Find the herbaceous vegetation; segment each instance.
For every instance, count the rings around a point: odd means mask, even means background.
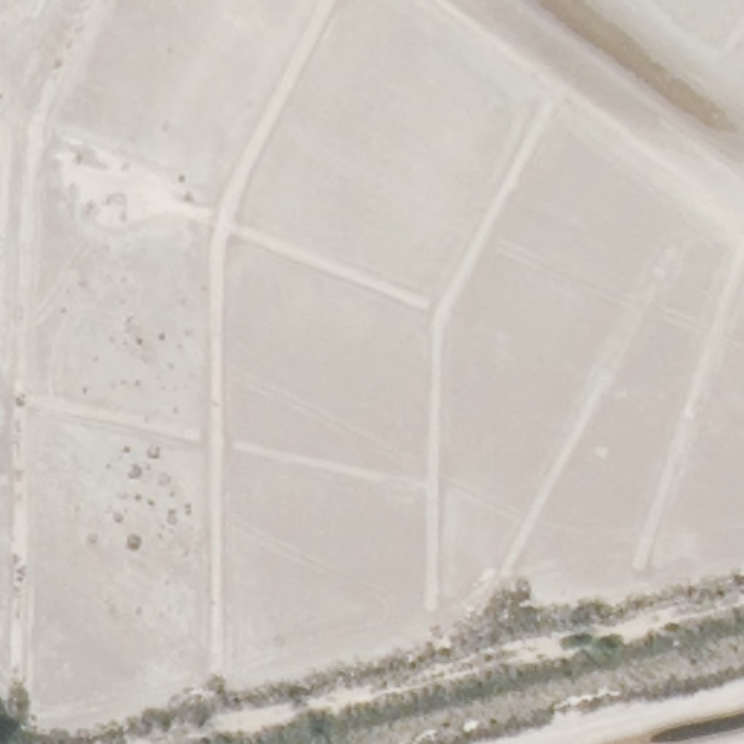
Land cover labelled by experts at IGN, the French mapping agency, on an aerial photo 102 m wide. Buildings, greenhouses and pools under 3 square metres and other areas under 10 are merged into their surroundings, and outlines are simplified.
[[[468,706],[439,709],[430,715],[416,715],[384,727],[352,729],[349,744],[421,744],[427,738],[453,738],[465,729],[485,727],[488,721],[506,721],[512,715],[523,718],[543,706],[552,706],[555,715],[581,712],[581,700],[619,695],[619,686],[642,689],[660,686],[671,677],[686,680],[744,666],[744,634],[706,642],[703,651],[692,654],[689,660],[683,654],[657,654],[634,660],[619,668],[590,671],[575,680],[552,680],[529,686],[526,692],[474,700]]]
[[[3,712],[23,724],[29,715],[26,689],[15,686],[3,700]]]
[[[543,607],[555,619],[555,628],[549,634],[509,639],[500,645],[488,642],[491,625],[482,613],[471,613],[468,622],[459,622],[456,636],[448,648],[453,654],[448,663],[424,666],[401,683],[363,683],[352,689],[323,692],[314,698],[305,698],[299,686],[294,683],[288,689],[291,703],[230,709],[212,715],[203,727],[171,724],[169,729],[151,729],[142,738],[125,738],[125,744],[192,744],[201,738],[215,738],[221,732],[256,735],[267,727],[288,724],[296,715],[308,715],[314,709],[334,715],[355,703],[384,703],[392,695],[448,686],[456,680],[480,677],[485,671],[497,671],[503,666],[567,660],[575,657],[575,648],[561,642],[575,634],[622,636],[625,642],[631,642],[642,639],[645,634],[660,634],[668,622],[724,619],[732,610],[744,607],[744,575],[718,575],[712,581],[692,587],[680,584],[663,593],[625,599],[622,605],[581,602],[575,607]]]

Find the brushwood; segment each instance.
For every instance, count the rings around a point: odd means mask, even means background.
[[[555,619],[543,607],[532,605],[529,590],[497,590],[482,613],[491,625],[488,642],[500,645],[509,639],[549,634],[555,628]]]
[[[3,712],[3,700],[0,700],[0,744],[125,744],[125,738],[142,738],[151,729],[169,729],[171,724],[203,727],[212,715],[230,709],[291,703],[288,689],[294,683],[273,683],[250,692],[235,692],[227,689],[224,677],[212,677],[209,689],[215,695],[206,700],[180,703],[169,709],[145,709],[142,715],[128,718],[125,724],[110,724],[99,732],[81,735],[70,735],[64,729],[35,732],[23,724]]]
[[[683,654],[689,660],[692,654],[703,651],[706,642],[744,634],[744,607],[732,610],[724,619],[668,622],[660,634],[645,634],[642,639],[631,642],[625,642],[622,636],[575,634],[561,642],[575,648],[575,657],[567,660],[503,666],[497,671],[485,671],[480,677],[456,680],[448,686],[392,695],[384,703],[355,703],[334,715],[314,709],[308,715],[296,715],[288,724],[267,727],[256,735],[221,732],[215,738],[201,738],[192,744],[349,744],[352,729],[384,727],[416,715],[430,715],[439,709],[468,706],[474,700],[526,692],[529,686],[552,680],[575,680],[590,671],[619,668],[634,660],[657,654]]]
[[[453,738],[427,738],[421,744],[477,744],[546,727],[555,715],[552,706],[543,706],[523,718],[512,715],[506,721],[488,721],[485,727],[465,729]]]
[[[352,689],[363,683],[401,683],[424,666],[448,663],[453,654],[448,648],[427,645],[419,654],[404,651],[401,657],[384,657],[375,666],[328,668],[320,674],[308,674],[299,686],[305,698],[314,698],[323,692]]]
[[[619,686],[619,695],[581,700],[581,712],[596,712],[602,706],[634,700],[668,700],[703,689],[718,689],[732,680],[744,680],[744,666],[686,680],[671,677],[660,686],[642,689]]]

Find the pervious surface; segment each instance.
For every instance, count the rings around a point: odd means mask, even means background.
[[[546,727],[477,744],[654,744],[651,732],[660,727],[744,709],[744,680],[732,680],[718,689],[703,689],[668,700],[634,700],[602,706],[596,712],[581,712],[555,715]]]
[[[26,689],[29,715],[23,724],[35,732],[64,729],[70,735],[81,735],[99,732],[110,724],[125,724],[128,718],[142,715],[145,709],[169,709],[180,703],[206,700],[215,695],[209,689],[212,677],[224,677],[227,689],[235,692],[250,692],[273,683],[294,683],[299,686],[308,674],[320,674],[328,668],[375,666],[384,657],[401,657],[404,651],[419,654],[427,645],[448,648],[456,636],[459,622],[468,622],[471,613],[482,613],[497,590],[529,590],[532,605],[543,607],[575,607],[581,602],[622,605],[625,599],[663,593],[680,584],[692,587],[712,581],[718,575],[744,575],[744,0],[587,0],[596,12],[602,12],[602,17],[622,26],[674,78],[686,81],[692,90],[721,105],[712,116],[712,125],[703,128],[692,116],[671,108],[666,99],[660,99],[654,90],[639,84],[616,61],[593,49],[567,26],[561,26],[535,0],[0,0],[0,700],[3,700],[15,686]]]

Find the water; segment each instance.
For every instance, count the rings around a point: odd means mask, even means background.
[[[561,26],[567,26],[593,49],[616,61],[639,84],[654,90],[660,99],[666,99],[671,108],[692,116],[703,128],[712,125],[712,116],[721,105],[692,90],[686,81],[674,78],[622,26],[602,17],[602,12],[596,12],[587,0],[535,0]]]
[[[651,732],[654,744],[744,744],[744,709],[660,727]]]

